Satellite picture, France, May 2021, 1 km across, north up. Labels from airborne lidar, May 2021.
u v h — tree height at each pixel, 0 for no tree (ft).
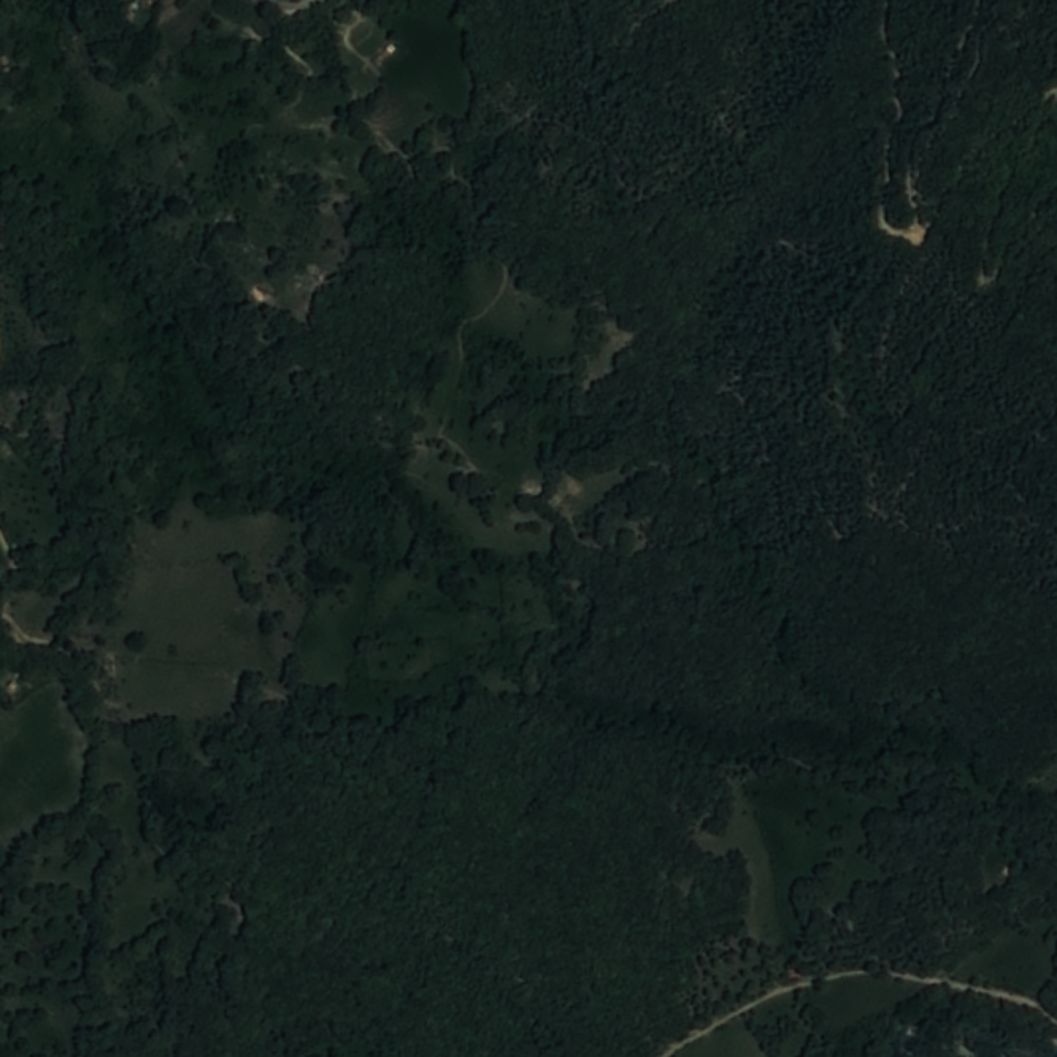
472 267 60
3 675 51
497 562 37
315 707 26
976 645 57
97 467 59
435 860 31
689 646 43
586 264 44
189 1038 56
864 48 34
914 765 54
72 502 46
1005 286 33
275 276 44
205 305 26
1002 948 0
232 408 29
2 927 0
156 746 57
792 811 0
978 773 53
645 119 36
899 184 31
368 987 54
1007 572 33
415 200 24
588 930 47
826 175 43
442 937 35
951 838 55
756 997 32
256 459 40
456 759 62
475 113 39
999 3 28
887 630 40
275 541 0
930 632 54
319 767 49
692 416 30
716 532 25
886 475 34
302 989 55
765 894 0
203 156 0
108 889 31
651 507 45
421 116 0
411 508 20
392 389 31
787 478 31
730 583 35
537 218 42
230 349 59
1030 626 61
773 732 86
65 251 50
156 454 28
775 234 46
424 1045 36
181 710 0
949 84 42
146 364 35
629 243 51
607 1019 44
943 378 43
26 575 47
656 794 51
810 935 52
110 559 42
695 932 39
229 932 43
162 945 40
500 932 38
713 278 40
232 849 35
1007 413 48
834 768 51
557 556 49
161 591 0
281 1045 49
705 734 72
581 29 37
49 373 48
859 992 0
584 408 53
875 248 46
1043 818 29
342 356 43
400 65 0
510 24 31
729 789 50
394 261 61
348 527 60
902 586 40
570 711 77
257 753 48
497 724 53
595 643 68
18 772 0
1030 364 36
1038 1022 50
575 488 0
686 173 34
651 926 52
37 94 29
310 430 24
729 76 40
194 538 0
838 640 22
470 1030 35
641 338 29
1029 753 54
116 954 43
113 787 43
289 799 36
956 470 45
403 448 39
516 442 44
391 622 0
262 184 51
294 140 21
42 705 0
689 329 52
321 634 0
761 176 53
